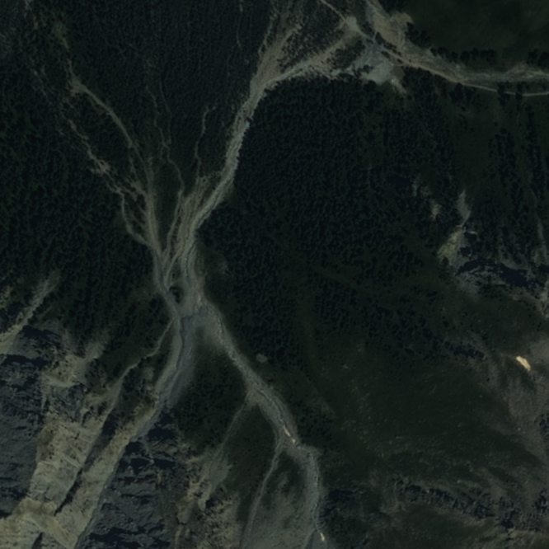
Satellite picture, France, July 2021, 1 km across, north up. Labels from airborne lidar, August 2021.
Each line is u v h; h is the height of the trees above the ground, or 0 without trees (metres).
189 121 11
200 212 0
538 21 0
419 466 0
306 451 0
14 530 0
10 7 7
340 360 0
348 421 0
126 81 23
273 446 0
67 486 0
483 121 0
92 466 0
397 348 0
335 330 8
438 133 15
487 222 7
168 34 17
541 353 0
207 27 10
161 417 0
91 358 0
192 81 10
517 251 6
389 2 15
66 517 0
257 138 19
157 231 0
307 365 8
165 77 19
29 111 7
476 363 0
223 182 0
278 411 0
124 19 25
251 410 0
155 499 0
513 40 0
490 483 0
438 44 0
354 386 0
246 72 10
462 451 0
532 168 6
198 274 0
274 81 0
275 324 12
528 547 0
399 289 0
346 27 0
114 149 12
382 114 15
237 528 0
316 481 0
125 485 0
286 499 0
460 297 0
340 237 24
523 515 0
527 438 0
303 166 13
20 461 0
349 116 9
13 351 0
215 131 13
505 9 0
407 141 12
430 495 0
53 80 9
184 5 7
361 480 0
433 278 0
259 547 0
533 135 16
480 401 0
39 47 9
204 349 0
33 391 0
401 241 19
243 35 7
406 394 0
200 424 12
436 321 0
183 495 0
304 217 26
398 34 0
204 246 0
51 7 26
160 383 0
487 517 0
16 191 21
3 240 21
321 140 15
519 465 0
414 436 0
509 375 0
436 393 0
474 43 0
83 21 24
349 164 20
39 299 0
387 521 0
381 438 0
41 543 0
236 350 0
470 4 0
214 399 8
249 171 16
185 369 0
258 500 0
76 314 18
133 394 0
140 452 7
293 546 0
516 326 0
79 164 26
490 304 0
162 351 0
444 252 0
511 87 8
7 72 12
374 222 13
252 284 18
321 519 0
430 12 0
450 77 0
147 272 12
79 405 0
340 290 9
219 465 0
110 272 8
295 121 18
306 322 0
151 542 0
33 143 21
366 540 0
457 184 7
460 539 0
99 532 0
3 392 0
